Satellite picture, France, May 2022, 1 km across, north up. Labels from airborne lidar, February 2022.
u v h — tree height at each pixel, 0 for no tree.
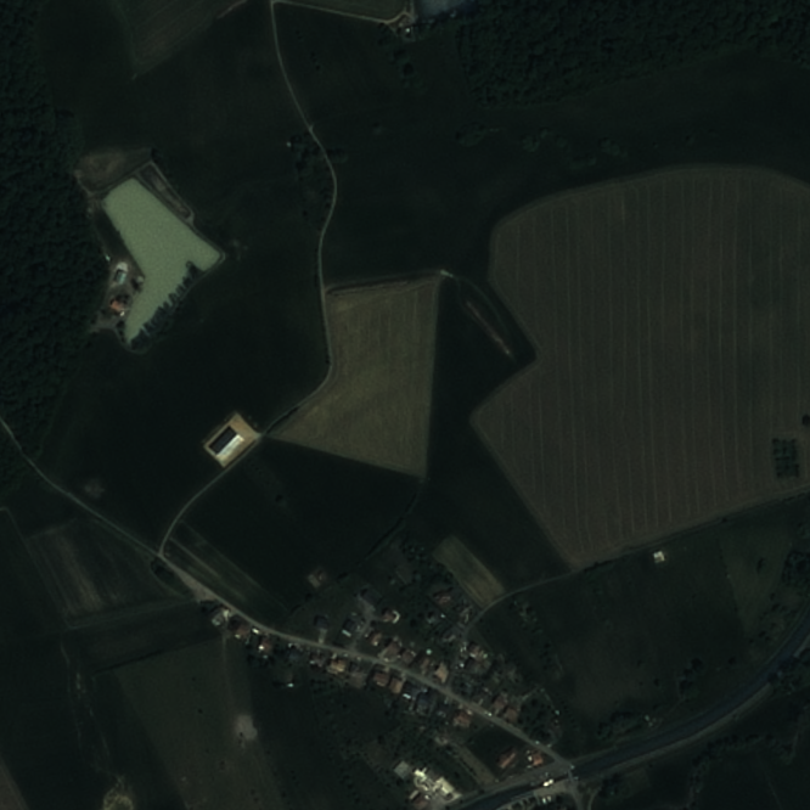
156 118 0
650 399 0
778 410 0
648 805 0
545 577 0
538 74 22
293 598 0
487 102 12
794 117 0
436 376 0
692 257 0
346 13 0
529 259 0
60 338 26
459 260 0
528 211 0
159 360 0
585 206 0
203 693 0
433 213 0
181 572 0
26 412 26
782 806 0
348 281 0
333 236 0
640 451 0
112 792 0
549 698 0
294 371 0
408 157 0
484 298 0
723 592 0
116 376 0
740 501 0
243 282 0
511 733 0
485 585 0
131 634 0
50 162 23
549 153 0
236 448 0
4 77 28
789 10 23
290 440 0
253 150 0
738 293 0
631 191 0
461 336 0
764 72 0
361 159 0
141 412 0
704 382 0
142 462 0
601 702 0
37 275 30
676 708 0
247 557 0
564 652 0
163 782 0
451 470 0
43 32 0
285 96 0
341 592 0
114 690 0
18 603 0
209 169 0
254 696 0
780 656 0
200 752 0
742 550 0
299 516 0
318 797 0
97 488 0
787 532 0
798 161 0
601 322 0
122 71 0
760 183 0
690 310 0
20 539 0
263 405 0
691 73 0
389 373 0
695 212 0
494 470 0
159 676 0
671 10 28
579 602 0
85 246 27
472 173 0
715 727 0
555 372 0
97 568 0
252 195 0
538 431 0
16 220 28
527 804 7
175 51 0
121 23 0
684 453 0
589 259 0
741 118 0
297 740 0
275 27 0
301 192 0
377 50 0
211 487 0
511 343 0
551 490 0
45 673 0
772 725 0
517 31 26
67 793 0
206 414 0
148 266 0
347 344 0
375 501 0
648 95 0
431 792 0
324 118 0
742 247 0
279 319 0
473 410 0
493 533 0
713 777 0
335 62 0
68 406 0
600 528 0
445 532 0
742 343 0
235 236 0
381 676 0
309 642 0
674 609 0
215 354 0
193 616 0
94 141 0
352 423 0
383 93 0
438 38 0
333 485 0
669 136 0
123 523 0
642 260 0
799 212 0
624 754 0
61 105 0
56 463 0
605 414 0
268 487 0
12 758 0
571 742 0
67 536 0
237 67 0
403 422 0
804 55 16
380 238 0
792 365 0
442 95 0
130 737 0
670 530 0
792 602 0
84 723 0
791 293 0
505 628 0
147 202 0
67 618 0
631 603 0
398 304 0
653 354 0
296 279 0
